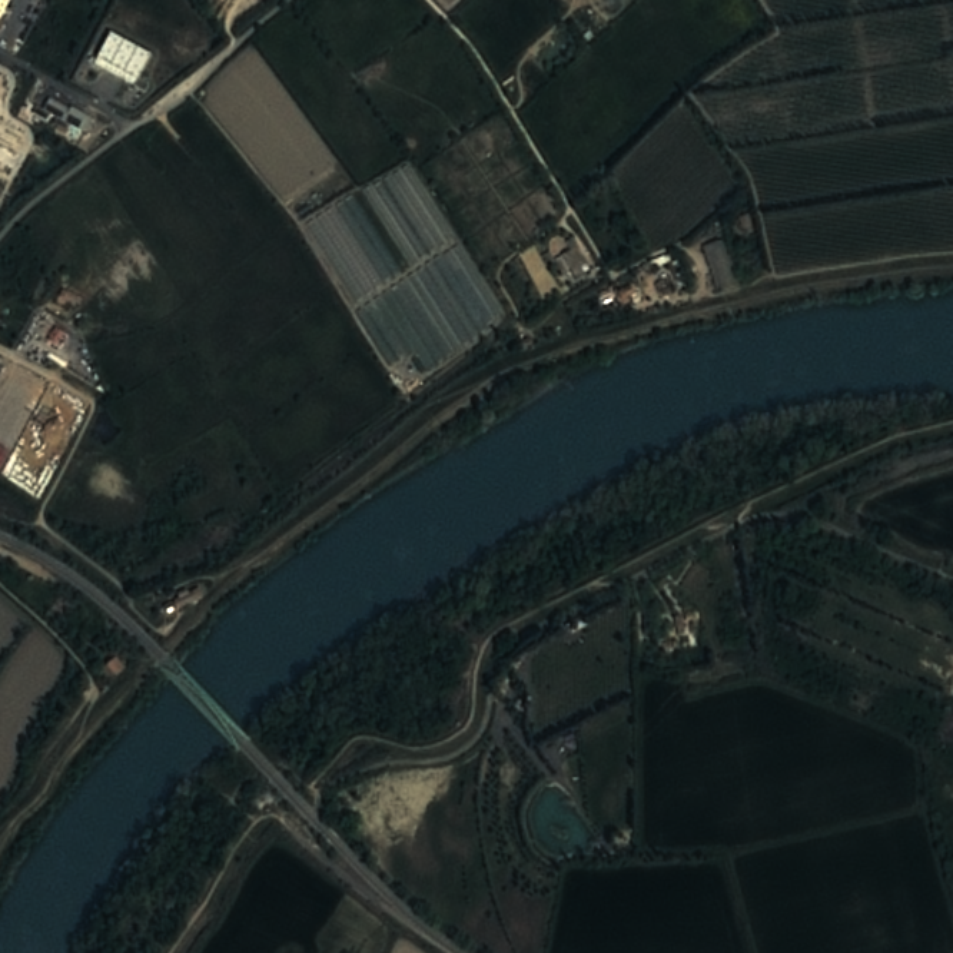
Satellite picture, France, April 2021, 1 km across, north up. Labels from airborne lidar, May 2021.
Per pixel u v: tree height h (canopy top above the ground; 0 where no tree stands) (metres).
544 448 0
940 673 0
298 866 0
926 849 0
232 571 0
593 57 0
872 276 0
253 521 8
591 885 0
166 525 16
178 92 0
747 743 0
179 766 0
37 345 0
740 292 0
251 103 0
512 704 8
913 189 14
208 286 0
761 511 0
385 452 0
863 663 0
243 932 0
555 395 0
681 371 0
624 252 12
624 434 0
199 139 0
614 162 13
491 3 0
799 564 10
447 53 0
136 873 23
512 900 0
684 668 12
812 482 0
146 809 0
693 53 0
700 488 25
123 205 0
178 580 9
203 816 23
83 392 0
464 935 14
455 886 0
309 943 0
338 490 0
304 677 24
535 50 0
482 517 0
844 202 16
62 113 0
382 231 0
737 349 0
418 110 0
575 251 0
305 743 24
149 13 0
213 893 0
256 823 0
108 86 0
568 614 8
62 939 0
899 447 12
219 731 0
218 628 0
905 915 0
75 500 0
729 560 0
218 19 9
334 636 0
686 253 8
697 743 0
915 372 0
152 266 0
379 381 0
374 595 0
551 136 0
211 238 0
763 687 0
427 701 20
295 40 0
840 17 22
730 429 24
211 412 0
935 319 0
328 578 0
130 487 0
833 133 14
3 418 0
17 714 0
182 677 0
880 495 0
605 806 0
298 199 0
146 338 0
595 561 23
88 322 11
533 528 20
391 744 0
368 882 0
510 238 0
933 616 0
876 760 0
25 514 0
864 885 0
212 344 0
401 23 0
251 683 0
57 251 0
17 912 0
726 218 15
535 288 8
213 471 0
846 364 0
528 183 0
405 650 26
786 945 0
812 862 0
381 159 0
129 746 0
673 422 0
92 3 9
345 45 0
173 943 14
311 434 0
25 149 0
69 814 0
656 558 0
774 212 13
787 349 0
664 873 0
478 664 0
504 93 8
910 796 0
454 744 0
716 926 0
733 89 9
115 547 16
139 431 0
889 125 22
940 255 0
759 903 0
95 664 16
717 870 0
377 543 0
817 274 0
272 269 0
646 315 8
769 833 0
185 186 0
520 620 0
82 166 0
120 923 22
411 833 0
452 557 0
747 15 0
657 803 0
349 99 0
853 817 0
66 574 0
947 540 0
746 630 6
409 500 0
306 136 0
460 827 0
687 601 13
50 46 7
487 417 25
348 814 12
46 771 0
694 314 0
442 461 0
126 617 0
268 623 0
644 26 0
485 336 8
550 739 13
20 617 0
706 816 0
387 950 0
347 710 21
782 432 23
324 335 0
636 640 10
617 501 24
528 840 11
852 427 25
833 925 0
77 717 0
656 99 0
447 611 20
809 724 0
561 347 0
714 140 7
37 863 0
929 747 7
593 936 0
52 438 0
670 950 0
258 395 0
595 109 0
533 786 14
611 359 8
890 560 12
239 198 0
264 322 0
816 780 0
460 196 0
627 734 0
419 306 0
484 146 0
